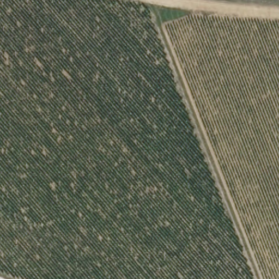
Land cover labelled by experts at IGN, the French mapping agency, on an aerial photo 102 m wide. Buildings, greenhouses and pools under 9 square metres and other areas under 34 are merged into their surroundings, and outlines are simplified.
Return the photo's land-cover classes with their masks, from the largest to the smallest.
<instances>
[{"label":"vineyard","instance_id":"1","mask_svg":"<svg viewBox=\"0 0 279 279\"><path fill-rule=\"evenodd\" d=\"M0 279H279V20L255 17L230 19L228 16L219 17L218 12L169 8L139 0H0Z\"/></svg>","mask_w":279,"mask_h":279},{"label":"pervious surface","instance_id":"2","mask_svg":"<svg viewBox=\"0 0 279 279\"><path fill-rule=\"evenodd\" d=\"M169 8L218 12L219 17L228 16L230 19L255 17L279 20V7H263V5L236 4L211 0H139Z\"/></svg>","mask_w":279,"mask_h":279},{"label":"herbaceous vegetation","instance_id":"3","mask_svg":"<svg viewBox=\"0 0 279 279\"><path fill-rule=\"evenodd\" d=\"M236 4L263 5V7H279V0H211Z\"/></svg>","mask_w":279,"mask_h":279}]
</instances>
